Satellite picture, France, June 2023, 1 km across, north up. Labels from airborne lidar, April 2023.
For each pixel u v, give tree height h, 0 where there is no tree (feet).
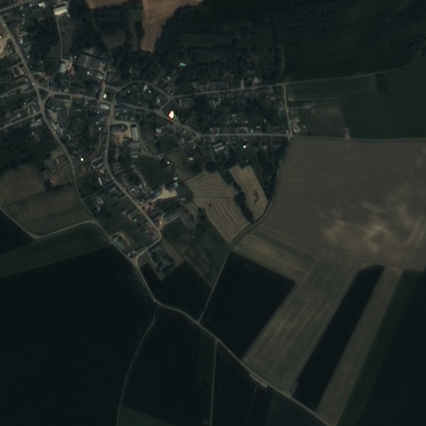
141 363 0
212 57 0
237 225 0
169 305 0
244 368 0
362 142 0
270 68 20
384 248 0
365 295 0
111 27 51
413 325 0
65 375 0
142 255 0
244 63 63
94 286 0
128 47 73
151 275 0
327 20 65
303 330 0
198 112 49
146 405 0
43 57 41
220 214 0
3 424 0
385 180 0
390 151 0
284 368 0
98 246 0
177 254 0
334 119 0
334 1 56
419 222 0
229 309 0
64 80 0
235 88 0
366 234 0
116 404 0
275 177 39
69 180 0
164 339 0
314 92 0
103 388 0
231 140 0
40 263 0
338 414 0
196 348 0
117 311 0
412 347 0
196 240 0
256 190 0
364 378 0
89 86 58
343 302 0
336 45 0
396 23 0
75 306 0
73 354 0
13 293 0
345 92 0
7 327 0
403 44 0
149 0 0
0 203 0
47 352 0
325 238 0
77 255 0
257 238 0
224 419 0
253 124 0
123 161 39
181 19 55
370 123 0
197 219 0
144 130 0
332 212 0
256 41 0
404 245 0
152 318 0
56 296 0
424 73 0
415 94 0
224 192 0
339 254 0
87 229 0
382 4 0
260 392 0
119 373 0
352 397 0
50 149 0
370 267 0
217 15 0
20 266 0
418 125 0
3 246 0
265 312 0
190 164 0
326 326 0
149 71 28
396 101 0
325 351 0
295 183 0
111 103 0
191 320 0
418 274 0
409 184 0
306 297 0
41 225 0
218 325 0
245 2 0
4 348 0
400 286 0
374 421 0
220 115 32
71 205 0
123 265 0
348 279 0
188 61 0
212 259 0
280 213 0
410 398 0
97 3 0
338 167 0
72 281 0
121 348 0
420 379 0
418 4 0
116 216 0
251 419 0
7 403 0
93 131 0
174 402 0
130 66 20
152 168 0
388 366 0
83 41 0
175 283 0
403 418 0
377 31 0
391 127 0
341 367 0
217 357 0
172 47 59
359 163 0
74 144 0
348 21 0
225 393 0
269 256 0
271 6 0
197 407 0
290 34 60
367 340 0
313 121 0
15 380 0
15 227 0
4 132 25
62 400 0
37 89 0
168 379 0
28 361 0
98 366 0
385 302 0
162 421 0
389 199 0
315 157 0
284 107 0
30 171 0
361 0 0
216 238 0
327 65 0
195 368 0
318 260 0
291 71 0
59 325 0
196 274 0
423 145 0
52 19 28
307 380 0
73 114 0
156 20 0
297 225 0
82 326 0
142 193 23
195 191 0
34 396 0
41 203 0
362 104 0
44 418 0
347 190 0
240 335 0
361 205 0
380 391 0
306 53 0
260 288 0
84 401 0
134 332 0
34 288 0
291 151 0
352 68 0
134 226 0
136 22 0
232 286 0
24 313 0
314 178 0
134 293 0
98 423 0
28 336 0
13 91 0
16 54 0
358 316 0
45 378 0
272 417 0
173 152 0
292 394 0
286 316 0
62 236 0
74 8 57
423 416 0
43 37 54
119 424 0
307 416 0
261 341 0
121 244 0
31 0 0
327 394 0
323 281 0
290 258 0
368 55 0
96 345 0
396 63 0
